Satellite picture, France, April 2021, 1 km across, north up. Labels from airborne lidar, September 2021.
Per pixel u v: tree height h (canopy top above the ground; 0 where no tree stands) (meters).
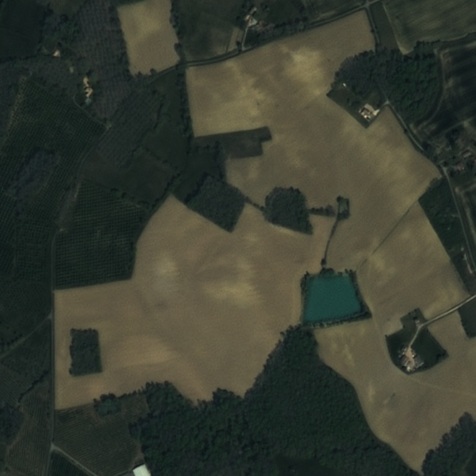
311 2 0
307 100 0
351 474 13
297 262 0
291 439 24
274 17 0
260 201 0
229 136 0
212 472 21
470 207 0
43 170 23
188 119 15
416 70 26
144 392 7
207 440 23
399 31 0
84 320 0
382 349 0
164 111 17
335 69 0
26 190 20
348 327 0
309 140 0
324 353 0
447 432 0
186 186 0
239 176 0
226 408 33
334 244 0
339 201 9
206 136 0
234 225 14
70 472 6
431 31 0
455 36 0
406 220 0
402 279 0
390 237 0
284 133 0
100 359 17
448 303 0
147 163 0
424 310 0
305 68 0
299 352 22
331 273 12
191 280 0
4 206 6
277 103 0
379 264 0
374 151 0
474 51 0
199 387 0
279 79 0
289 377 20
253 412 27
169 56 0
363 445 20
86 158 0
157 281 0
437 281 0
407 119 11
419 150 0
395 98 17
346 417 26
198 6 0
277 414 25
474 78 0
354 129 0
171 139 0
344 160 0
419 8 0
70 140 6
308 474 0
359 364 0
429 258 0
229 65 0
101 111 11
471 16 0
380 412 0
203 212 18
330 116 0
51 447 0
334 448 22
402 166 0
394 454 11
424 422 0
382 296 0
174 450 24
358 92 19
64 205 15
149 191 0
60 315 0
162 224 0
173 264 0
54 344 0
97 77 21
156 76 15
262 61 0
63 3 0
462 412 0
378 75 19
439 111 0
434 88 20
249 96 0
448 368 0
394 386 0
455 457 24
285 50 0
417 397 0
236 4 0
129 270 7
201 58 0
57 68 8
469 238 0
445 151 6
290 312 0
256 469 23
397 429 0
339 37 0
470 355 0
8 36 0
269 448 33
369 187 0
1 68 23
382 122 0
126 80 12
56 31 12
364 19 0
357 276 0
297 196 23
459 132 9
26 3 0
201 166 0
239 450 23
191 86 0
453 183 0
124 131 13
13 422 23
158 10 0
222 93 0
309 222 16
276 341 0
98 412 7
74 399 0
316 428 22
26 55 0
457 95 0
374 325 0
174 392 16
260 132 0
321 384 24
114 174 0
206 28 0
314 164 0
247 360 0
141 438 18
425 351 0
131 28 0
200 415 26
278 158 0
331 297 0
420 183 0
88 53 9
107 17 15
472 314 0
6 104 20
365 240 0
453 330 0
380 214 0
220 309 0
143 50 0
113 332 0
